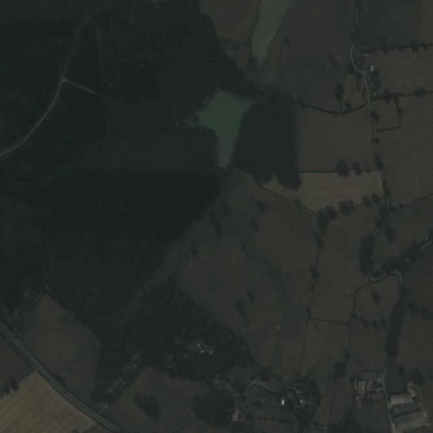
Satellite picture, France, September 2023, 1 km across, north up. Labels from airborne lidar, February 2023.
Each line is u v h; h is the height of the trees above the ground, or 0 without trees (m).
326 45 0
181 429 0
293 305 0
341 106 0
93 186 20
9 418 0
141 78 19
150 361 17
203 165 17
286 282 0
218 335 20
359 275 0
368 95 0
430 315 15
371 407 0
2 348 0
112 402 11
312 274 17
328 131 0
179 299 16
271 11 0
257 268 0
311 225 0
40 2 18
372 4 0
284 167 16
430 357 0
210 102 0
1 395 0
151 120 21
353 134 0
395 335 14
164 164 17
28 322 0
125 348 24
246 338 0
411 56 0
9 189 18
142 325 22
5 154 0
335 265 0
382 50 12
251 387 0
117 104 18
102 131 12
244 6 0
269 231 0
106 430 0
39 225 12
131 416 0
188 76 20
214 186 20
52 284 18
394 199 0
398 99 11
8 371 0
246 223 0
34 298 0
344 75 0
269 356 0
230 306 0
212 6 0
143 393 0
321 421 0
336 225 0
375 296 15
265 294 0
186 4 15
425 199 0
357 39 10
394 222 0
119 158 19
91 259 14
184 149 14
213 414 20
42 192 14
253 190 0
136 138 21
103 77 7
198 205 20
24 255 6
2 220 14
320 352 0
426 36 0
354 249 0
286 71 0
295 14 0
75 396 0
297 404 8
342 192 0
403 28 0
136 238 15
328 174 0
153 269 23
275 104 19
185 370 15
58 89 0
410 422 0
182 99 20
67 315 0
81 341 0
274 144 19
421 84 0
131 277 19
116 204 19
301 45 0
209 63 18
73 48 0
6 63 0
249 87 22
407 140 0
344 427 19
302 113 0
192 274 0
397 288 0
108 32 22
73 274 22
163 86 17
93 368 0
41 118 0
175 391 0
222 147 0
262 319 0
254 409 0
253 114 19
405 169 0
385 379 0
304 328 0
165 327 24
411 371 0
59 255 20
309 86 0
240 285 0
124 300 25
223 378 18
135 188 17
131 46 26
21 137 0
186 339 10
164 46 23
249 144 19
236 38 0
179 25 19
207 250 0
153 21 20
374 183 0
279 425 0
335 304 0
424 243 0
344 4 0
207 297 0
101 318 18
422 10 0
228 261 0
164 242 17
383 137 0
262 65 0
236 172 0
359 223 0
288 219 0
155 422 0
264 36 0
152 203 23
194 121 8
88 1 20
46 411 0
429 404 0
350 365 0
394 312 12
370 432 0
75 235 7
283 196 0
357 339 0
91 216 21
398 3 0
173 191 22
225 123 0
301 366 0
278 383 0
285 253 0
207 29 21
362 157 0
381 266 0
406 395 0
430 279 0
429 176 0
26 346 0
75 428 0
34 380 0
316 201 0
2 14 20
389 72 0
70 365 0
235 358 13
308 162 0
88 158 19
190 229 0
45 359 0
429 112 0
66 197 20
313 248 0
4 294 7
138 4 10
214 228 19
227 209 0
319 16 0
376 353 0
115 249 20
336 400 0
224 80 18
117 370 16
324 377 0
